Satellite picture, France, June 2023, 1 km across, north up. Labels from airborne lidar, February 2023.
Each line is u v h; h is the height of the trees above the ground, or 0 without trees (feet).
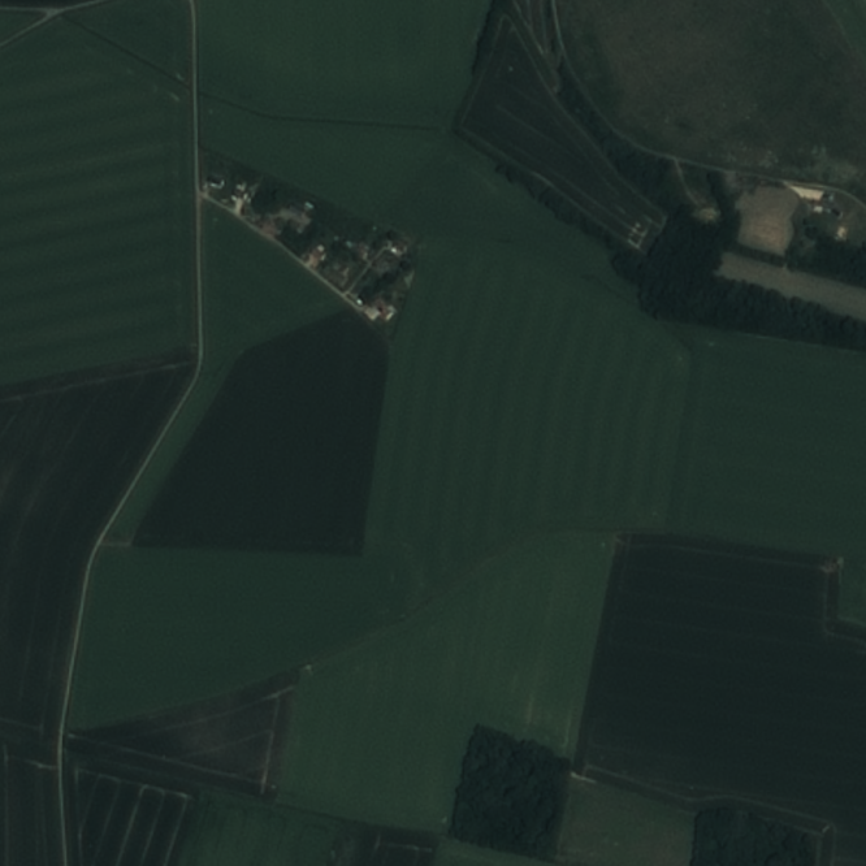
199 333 0
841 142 0
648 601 0
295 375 0
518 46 0
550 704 0
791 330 30
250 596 0
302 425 0
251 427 0
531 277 0
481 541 0
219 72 0
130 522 0
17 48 0
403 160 0
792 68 0
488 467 0
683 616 0
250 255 0
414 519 0
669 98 0
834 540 0
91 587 0
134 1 0
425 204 0
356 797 0
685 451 0
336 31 0
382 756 0
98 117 0
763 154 0
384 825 0
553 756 36
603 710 0
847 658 0
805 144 0
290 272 0
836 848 0
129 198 0
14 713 0
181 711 0
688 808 0
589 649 0
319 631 0
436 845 0
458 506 0
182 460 0
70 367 0
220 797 0
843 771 0
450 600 0
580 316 0
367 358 0
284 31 0
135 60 0
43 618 0
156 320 0
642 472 0
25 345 0
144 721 0
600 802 0
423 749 0
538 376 0
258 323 0
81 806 0
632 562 0
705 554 0
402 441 0
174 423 0
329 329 0
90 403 0
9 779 0
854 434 0
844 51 0
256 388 0
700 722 0
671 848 0
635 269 58
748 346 0
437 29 0
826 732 0
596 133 18
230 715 0
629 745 0
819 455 0
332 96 0
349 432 0
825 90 0
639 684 0
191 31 0
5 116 0
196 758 0
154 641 0
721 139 0
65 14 0
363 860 0
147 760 0
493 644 0
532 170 0
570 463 0
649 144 0
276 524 0
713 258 65
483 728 37
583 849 0
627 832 0
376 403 0
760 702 0
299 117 0
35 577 0
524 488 0
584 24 0
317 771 0
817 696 0
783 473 0
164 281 0
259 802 0
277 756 0
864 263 49
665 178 29
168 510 0
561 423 0
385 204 0
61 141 0
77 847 0
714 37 0
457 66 0
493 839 62
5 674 0
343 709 0
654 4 0
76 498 0
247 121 0
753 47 0
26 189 0
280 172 0
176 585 0
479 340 0
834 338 23
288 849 0
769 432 0
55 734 0
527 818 73
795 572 0
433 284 0
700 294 74
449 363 0
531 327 0
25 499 0
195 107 0
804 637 0
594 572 0
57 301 0
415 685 0
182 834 0
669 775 0
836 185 0
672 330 0
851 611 0
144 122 0
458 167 0
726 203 40
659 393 0
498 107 0
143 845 0
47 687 0
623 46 0
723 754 0
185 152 0
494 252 0
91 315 0
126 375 0
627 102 0
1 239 0
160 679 0
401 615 0
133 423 0
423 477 0
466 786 46
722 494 0
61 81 0
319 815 0
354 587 0
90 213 0
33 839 0
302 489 0
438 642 0
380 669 0
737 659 0
